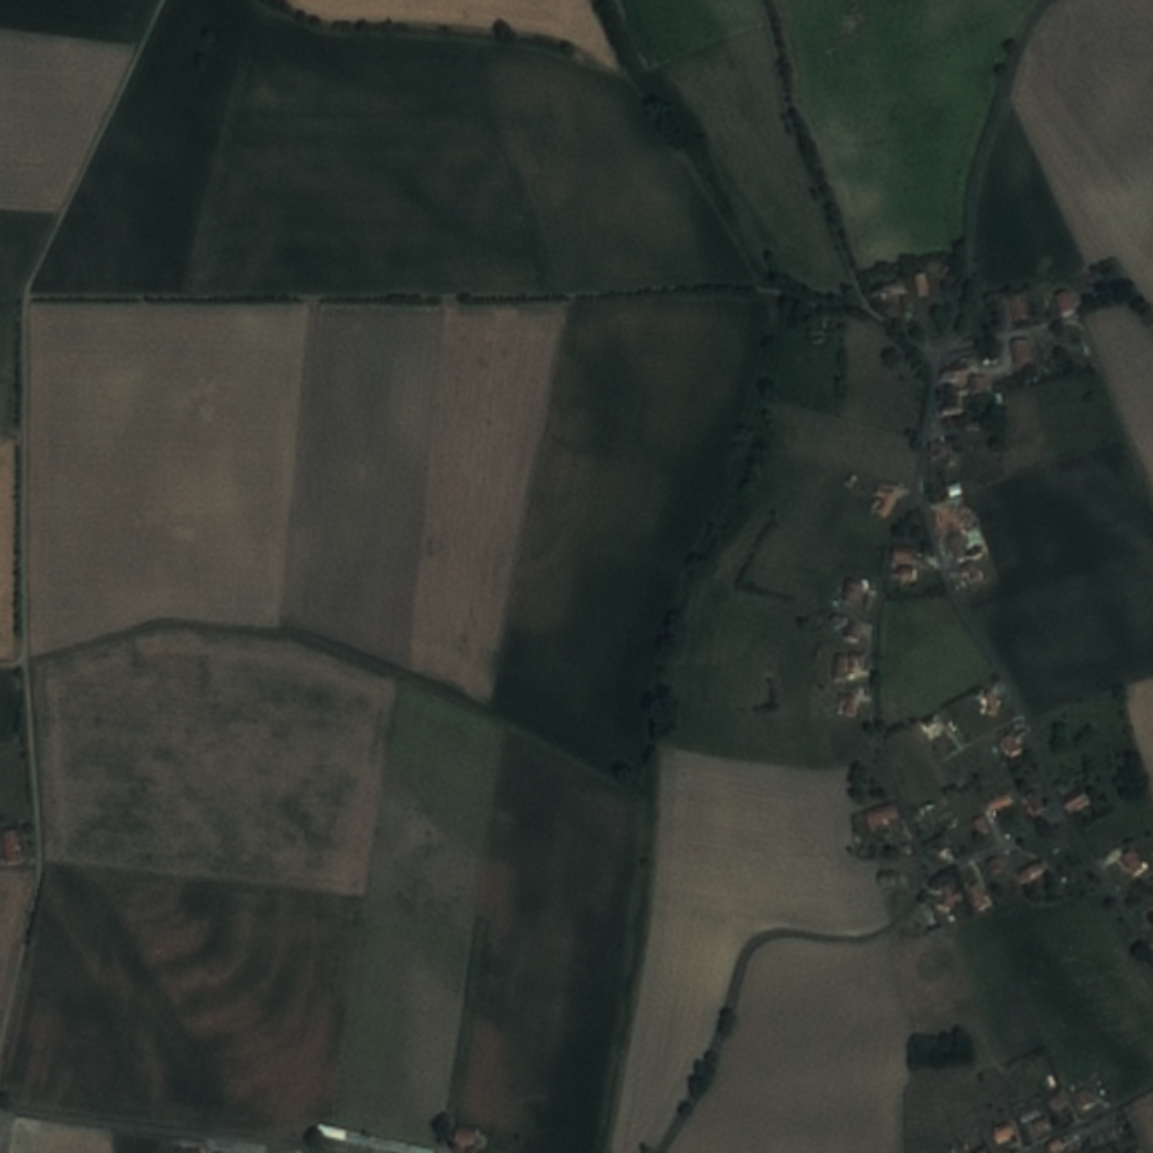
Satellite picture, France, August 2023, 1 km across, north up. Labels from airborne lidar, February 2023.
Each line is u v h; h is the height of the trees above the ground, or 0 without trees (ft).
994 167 0
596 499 0
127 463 0
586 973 0
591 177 0
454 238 0
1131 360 0
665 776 0
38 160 0
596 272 0
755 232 0
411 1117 0
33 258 0
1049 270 0
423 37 0
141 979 0
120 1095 0
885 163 0
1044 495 0
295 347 0
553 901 0
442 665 0
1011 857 0
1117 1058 0
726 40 0
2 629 0
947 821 0
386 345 0
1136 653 0
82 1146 0
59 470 0
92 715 0
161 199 0
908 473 0
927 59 0
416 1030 0
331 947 0
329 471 0
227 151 0
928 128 0
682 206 0
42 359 0
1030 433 0
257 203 0
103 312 0
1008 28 0
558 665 0
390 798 0
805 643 0
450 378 0
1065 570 0
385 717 0
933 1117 0
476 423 0
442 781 0
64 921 0
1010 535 0
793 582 0
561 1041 0
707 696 0
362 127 0
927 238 0
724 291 29
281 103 0
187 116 0
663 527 0
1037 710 0
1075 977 0
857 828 0
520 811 0
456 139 0
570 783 0
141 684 0
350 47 0
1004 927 0
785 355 0
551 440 0
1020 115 0
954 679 0
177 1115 0
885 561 0
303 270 0
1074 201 0
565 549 0
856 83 0
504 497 0
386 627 0
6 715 0
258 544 0
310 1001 0
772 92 0
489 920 0
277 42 0
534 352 0
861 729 0
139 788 0
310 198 0
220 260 0
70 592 0
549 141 0
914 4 0
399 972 0
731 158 0
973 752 0
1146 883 21
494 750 0
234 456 0
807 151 36
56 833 0
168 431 0
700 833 0
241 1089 0
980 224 0
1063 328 30
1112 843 0
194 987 0
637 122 0
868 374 0
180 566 0
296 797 0
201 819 0
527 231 0
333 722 0
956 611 0
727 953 0
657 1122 0
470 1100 0
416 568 0
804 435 0
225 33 0
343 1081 0
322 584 0
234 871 0
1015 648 0
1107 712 0
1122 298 69
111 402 0
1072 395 0
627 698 0
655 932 0
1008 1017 0
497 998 0
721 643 0
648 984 0
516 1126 0
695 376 0
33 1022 0
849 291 41
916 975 0
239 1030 0
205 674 0
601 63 0
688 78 0
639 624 0
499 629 0
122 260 0
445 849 0
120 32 0
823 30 0
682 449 0
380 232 0
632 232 0
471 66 0
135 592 0
